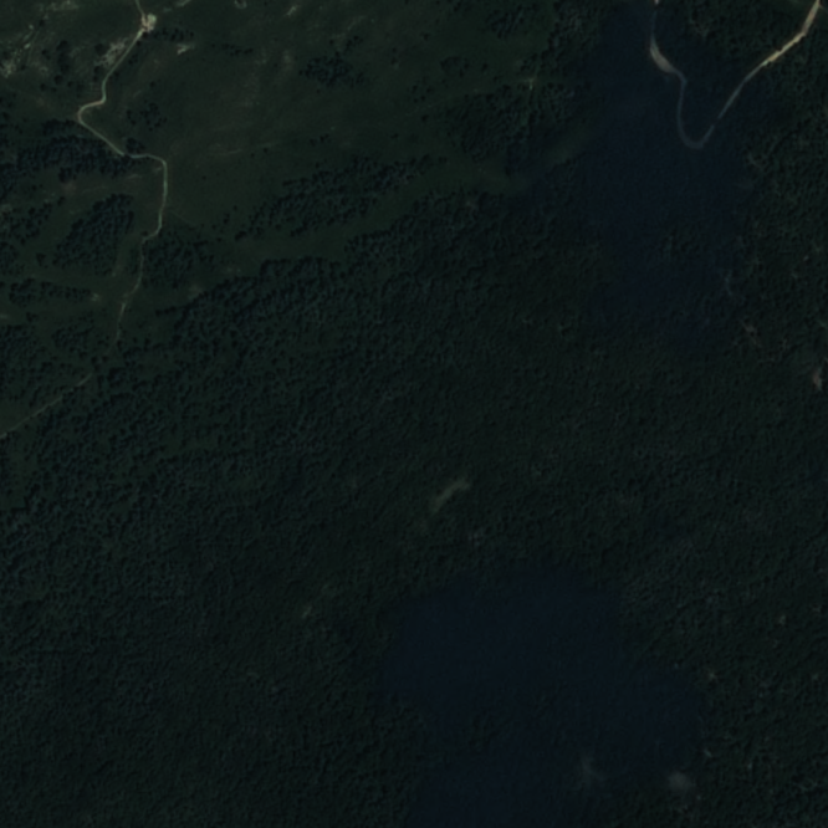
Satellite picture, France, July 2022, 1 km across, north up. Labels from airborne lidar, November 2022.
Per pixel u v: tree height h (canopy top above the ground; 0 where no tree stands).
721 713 21
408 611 14
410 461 15
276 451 14
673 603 16
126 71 0
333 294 10
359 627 14
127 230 7
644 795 19
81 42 0
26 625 14
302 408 8
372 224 0
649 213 16
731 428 15
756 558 14
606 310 16
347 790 10
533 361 15
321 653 18
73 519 14
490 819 18
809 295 19
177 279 8
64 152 21
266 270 17
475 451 13
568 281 16
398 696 23
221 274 0
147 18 0
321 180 14
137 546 15
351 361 16
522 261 20
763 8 20
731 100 0
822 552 15
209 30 0
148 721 18
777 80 18
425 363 15
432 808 17
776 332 11
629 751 21
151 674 15
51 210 13
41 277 0
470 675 22
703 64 18
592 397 12
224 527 12
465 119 14
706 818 18
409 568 16
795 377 14
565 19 13
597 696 12
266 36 0
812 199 14
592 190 18
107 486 15
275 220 8
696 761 19
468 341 11
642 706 23
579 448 13
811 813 28
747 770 21
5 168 17
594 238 17
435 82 0
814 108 17
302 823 18
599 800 19
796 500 16
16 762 15
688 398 15
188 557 13
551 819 23
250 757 16
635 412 24
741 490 19
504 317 19
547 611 18
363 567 21
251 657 15
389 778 19
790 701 18
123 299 0
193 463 12
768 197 11
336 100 0
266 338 11
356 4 0
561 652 11
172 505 13
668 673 17
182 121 0
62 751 14
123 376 17
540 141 12
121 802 14
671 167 12
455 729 22
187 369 11
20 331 13
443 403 21
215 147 0
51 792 12
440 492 6
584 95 21
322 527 13
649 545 20
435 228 18
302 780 20
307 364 7
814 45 17
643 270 15
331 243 0
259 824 22
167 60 0
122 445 8
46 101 0
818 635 28
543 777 17
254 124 0
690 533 23
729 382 15
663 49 9
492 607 15
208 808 18
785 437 19
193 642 13
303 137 0
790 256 14
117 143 0
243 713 13
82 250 10
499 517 13
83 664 18
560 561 13
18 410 0
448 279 19
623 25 19
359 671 22
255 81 0
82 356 14
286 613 13
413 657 16
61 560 17
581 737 21
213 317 8
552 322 16
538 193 16
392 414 11
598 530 10
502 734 25
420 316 12
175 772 14
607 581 23
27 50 0
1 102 11
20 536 15
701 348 16
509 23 19
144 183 0
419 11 0
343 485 15
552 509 20
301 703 19
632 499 23
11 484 12
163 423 12
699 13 20
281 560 19
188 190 0
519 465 14
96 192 0
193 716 12
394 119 0
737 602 12
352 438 15
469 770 19
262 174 0
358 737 14
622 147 14
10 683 14
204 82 0
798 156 16
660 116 12
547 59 15
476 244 19
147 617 14
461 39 0
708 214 16
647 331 17
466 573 15
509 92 15
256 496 10
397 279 14
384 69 0
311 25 0
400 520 15
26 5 0
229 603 17
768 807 25
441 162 8
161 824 9
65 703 17
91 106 0
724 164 16
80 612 12
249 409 17
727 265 18
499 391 20
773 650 17
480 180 0
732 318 13
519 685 23
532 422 13
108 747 20
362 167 13
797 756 11
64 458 13
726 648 23
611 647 17
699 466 22
